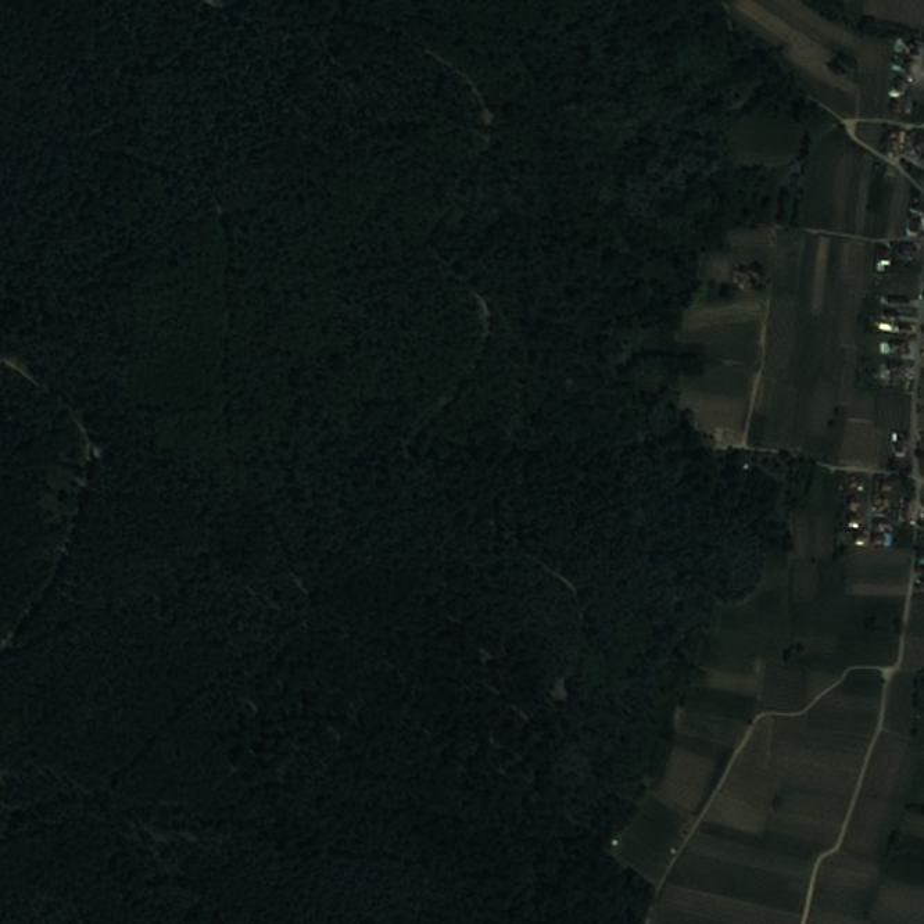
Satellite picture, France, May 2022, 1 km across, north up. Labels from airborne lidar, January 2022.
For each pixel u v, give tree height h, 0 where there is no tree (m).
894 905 0
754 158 0
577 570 23
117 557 25
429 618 18
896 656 0
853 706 0
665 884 0
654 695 13
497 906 25
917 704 7
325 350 10
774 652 0
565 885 23
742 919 0
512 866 21
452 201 13
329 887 22
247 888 19
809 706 0
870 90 0
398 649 20
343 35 19
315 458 18
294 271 21
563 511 23
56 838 17
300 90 20
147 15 29
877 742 0
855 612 0
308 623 21
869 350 0
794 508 7
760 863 0
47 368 18
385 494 29
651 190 28
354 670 22
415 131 21
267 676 21
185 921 15
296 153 18
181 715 19
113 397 20
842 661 0
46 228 18
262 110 24
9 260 14
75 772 26
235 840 19
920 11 0
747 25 0
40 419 20
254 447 23
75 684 16
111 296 23
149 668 17
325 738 22
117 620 20
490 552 25
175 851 18
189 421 20
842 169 0
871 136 0
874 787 0
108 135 22
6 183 31
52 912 19
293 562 25
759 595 0
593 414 17
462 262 22
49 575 15
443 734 21
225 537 18
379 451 24
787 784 0
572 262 21
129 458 25
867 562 0
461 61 14
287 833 18
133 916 19
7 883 20
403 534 24
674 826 0
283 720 26
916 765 0
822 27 0
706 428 0
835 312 0
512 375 15
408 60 22
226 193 21
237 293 10
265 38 25
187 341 16
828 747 0
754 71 18
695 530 24
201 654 11
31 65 21
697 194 23
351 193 18
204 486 19
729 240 0
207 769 16
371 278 15
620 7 24
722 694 0
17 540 15
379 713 19
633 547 22
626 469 27
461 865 20
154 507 22
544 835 19
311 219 17
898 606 0
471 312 15
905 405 0
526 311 22
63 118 26
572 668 17
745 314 0
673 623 25
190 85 24
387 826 20
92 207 26
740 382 0
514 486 27
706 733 0
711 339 0
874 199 0
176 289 21
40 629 18
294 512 27
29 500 15
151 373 14
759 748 0
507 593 21
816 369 0
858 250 0
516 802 18
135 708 14
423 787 21
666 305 20
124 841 26
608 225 23
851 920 0
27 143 25
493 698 21
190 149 22
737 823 0
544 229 11
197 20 30
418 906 22
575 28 25
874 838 0
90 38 26
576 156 22
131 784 20
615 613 21
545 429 27
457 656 20
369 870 27
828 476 0
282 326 10
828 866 0
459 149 16
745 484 12
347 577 19
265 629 20
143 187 16
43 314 16
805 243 0
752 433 0
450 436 18
